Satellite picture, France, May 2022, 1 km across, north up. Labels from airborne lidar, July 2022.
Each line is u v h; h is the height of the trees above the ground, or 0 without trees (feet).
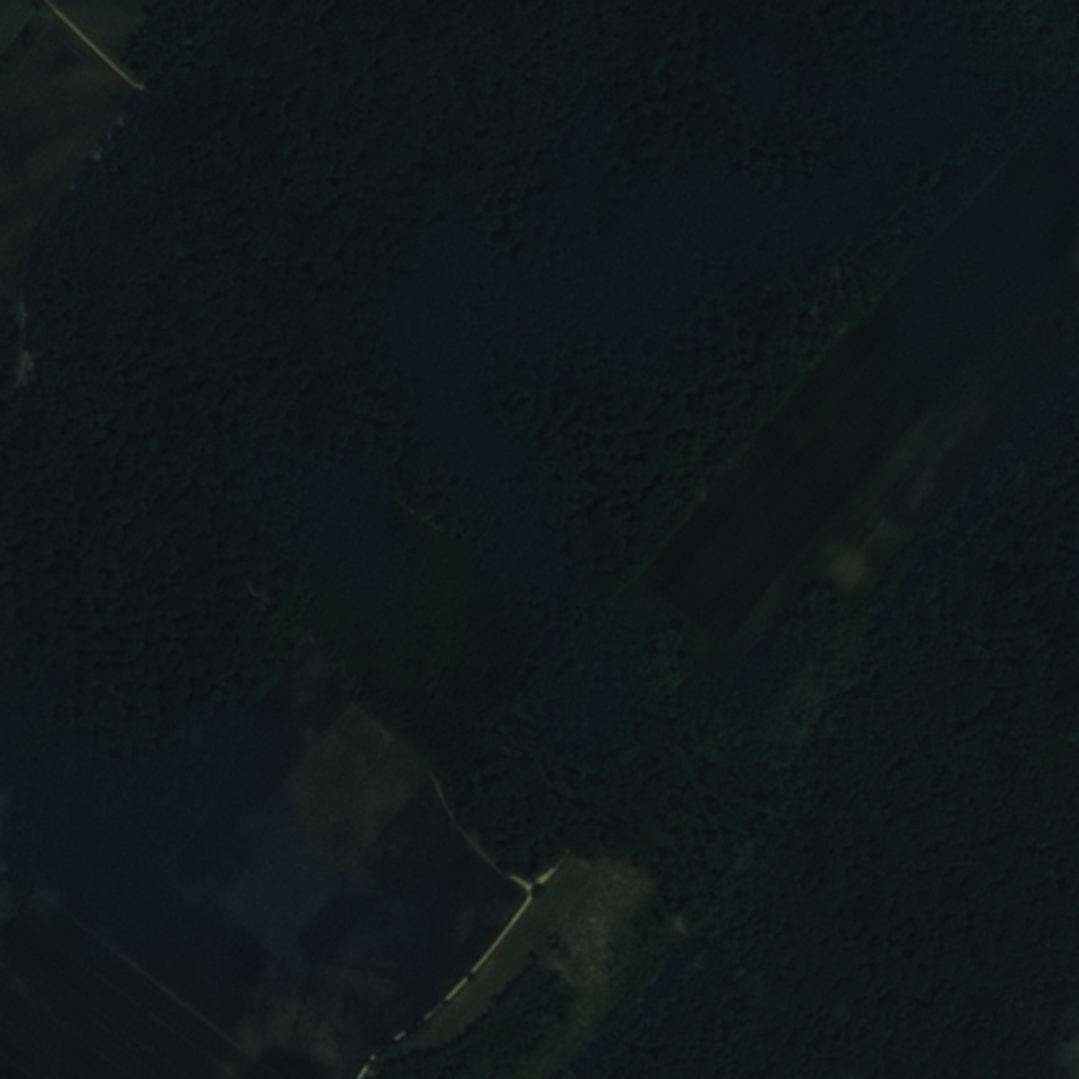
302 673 0
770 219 91
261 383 83
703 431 70
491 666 26
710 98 78
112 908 0
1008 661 33
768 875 87
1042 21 80
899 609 73
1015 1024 77
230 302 83
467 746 25
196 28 20
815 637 69
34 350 57
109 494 85
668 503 70
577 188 70
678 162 72
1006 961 84
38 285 57
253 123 86
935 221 69
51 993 0
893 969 88
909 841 69
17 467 80
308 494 80
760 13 91
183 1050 0
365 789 0
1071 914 66
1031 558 86
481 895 0
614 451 88
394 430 91
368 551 20
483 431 87
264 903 0
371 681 22
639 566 73
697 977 77
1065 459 87
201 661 81
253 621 85
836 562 0
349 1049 0
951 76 41
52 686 98
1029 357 0
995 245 0
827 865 80
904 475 0
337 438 93
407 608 20
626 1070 88
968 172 95
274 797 0
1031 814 64
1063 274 0
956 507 27
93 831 0
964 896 83
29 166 0
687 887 75
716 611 0
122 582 69
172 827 62
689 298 87
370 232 89
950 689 68
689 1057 80
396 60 73
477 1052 41
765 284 89
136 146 68
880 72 68
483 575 30
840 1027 65
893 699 76
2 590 100
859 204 94
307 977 0
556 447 96
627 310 80
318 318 84
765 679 79
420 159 85
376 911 0
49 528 97
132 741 96
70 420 80
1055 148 0
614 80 48
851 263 27
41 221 0
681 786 65
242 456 84
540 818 77
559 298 67
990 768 74
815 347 70
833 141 87
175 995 0
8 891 62
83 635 94
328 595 20
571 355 73
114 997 0
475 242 73
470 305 68
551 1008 48
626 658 44
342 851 0
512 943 0
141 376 66
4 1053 0
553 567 90
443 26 58
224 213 85
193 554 100
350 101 76
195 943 0
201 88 90
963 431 0
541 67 63
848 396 0
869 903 91
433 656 28
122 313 62
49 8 56
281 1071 0
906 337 0
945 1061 85
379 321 82
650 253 75
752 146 35
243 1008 0
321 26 77
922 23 72
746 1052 74
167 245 83
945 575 82
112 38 0
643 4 63
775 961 80
